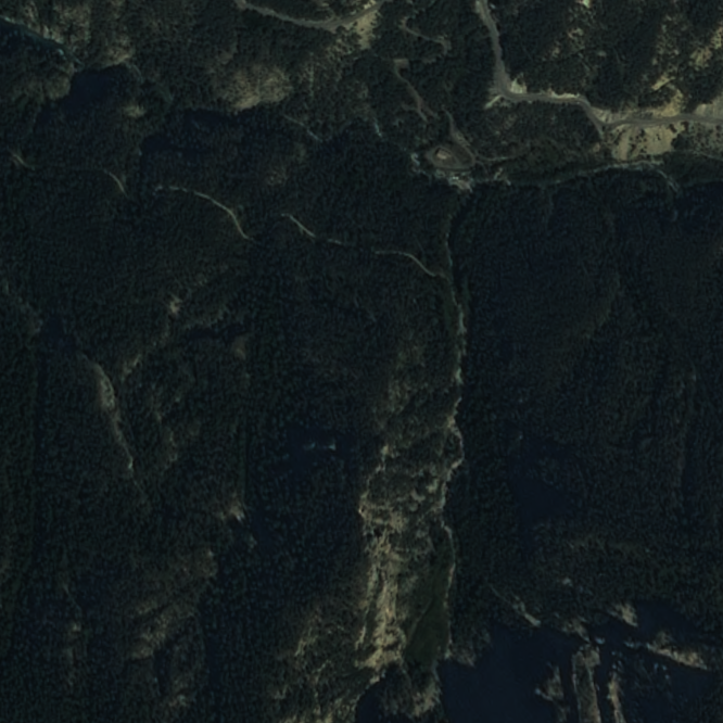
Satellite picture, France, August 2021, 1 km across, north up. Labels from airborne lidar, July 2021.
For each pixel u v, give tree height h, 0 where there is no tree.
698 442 10
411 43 7
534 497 10
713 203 12
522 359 8
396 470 7
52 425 9
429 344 11
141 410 18
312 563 15
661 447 14
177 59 13
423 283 18
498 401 6
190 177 15
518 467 9
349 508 11
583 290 13
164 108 20
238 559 17
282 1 13
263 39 13
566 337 12
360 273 9
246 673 11
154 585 10
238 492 9
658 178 9
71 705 7
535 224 9
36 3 6
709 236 11
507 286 11
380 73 12
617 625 9
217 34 11
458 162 0
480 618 13
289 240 11
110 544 17
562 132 6
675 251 12
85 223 8
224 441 11
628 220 8
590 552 7
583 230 12
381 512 8
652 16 8
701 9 9
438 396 14
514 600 6
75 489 16
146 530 19
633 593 13
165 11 7
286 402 11
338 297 7
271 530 14
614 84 10
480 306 15
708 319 13
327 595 16
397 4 14
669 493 12
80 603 6
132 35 17
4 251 16
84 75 0
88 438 14
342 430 13
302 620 8
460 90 12
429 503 8
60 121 9
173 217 7
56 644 9
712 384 8
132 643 14
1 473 11
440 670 0
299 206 11
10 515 12
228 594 14
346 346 15
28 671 17
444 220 10
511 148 12
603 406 12
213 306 13
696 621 15
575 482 11
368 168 12
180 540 10
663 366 10
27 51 8
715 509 11
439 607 0
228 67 8
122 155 13
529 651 12
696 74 9
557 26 8
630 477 12
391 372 7
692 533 14
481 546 7
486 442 10
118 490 18
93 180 6
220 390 8
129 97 17
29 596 10
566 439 15
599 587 8
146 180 12
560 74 8
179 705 8
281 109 14
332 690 8
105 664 10
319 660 10
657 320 7
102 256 11
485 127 8
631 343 17
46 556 25
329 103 11
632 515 11
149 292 8
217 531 10
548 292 12
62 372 17
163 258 10
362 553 6
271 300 15
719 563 19
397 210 13
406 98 12
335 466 9
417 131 6
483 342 11
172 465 7
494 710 0
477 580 7
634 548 10
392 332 12
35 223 10
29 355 21
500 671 0
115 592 14
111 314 14
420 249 12
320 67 7
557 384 14
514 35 8
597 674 0
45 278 7
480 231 14
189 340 11
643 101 11
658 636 6
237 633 10
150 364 7
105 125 12
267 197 15
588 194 11
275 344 11
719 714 11
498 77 0
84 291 8
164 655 17
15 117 13
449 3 14
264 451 16
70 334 12
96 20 15
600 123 0
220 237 7
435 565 11
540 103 8
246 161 11
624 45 10
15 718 23
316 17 6
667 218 8
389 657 0
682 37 8
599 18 10
